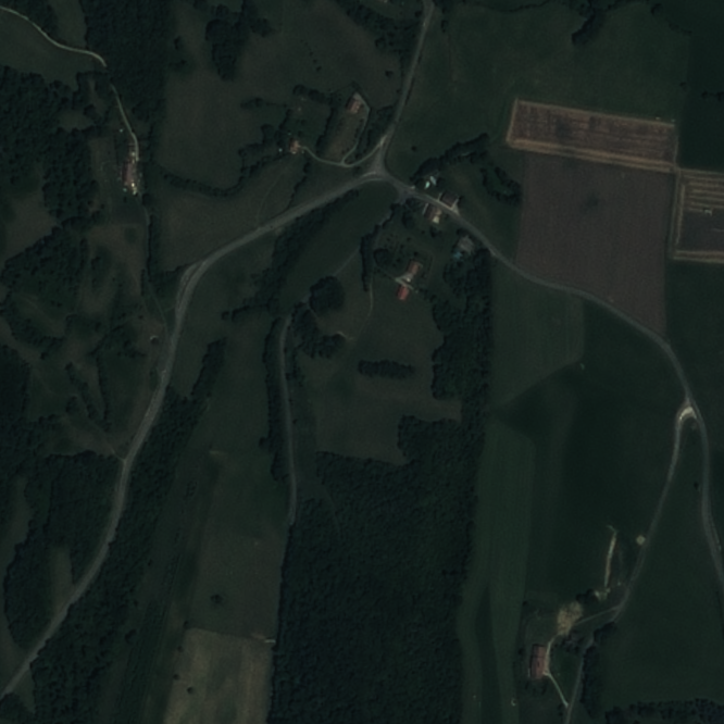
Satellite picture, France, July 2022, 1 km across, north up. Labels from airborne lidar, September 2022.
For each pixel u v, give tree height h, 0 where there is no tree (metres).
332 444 0
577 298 0
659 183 0
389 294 0
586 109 0
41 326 0
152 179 0
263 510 0
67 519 12
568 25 0
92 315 0
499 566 0
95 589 11
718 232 0
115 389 0
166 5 17
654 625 0
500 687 0
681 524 0
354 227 0
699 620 0
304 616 9
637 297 0
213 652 0
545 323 0
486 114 0
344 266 0
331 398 0
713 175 0
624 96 0
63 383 0
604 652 0
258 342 0
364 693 14
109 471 10
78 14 0
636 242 0
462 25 0
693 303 0
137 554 12
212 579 0
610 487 0
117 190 0
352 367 0
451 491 9
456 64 0
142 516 12
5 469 21
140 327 0
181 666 0
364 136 6
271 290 9
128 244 0
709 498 0
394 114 13
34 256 7
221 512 0
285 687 19
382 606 18
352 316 0
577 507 0
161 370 0
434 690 16
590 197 0
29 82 22
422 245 0
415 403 0
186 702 0
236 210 0
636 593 0
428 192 0
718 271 0
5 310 9
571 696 0
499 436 0
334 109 9
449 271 7
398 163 0
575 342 0
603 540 0
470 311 11
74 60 0
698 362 0
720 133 0
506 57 0
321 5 0
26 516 0
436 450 8
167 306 0
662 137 0
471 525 18
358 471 15
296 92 8
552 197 0
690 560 0
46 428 18
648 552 0
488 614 0
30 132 20
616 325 0
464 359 16
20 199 0
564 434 0
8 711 17
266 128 13
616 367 0
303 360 0
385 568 11
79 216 6
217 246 0
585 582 0
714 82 0
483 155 18
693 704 10
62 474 20
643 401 0
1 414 17
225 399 0
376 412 0
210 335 0
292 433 0
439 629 17
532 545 0
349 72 0
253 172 14
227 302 0
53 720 11
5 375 10
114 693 0
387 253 13
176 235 0
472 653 0
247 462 0
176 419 10
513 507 0
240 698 0
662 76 0
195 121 0
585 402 0
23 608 20
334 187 0
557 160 0
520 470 0
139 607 18
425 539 9
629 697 0
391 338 0
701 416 0
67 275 6
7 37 0
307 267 0
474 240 11
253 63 0
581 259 0
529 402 0
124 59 16
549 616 0
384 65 0
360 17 17
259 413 0
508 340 0
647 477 0
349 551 9
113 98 15
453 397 15
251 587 0
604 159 0
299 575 16
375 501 12
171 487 6
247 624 0
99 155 0
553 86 0
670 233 0
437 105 0
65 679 13
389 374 17
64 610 0
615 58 0
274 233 0
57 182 7
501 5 0
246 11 16
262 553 0
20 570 22
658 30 0
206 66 0
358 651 19
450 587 19
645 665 0
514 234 0
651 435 0
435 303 12
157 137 13
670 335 0
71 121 0
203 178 0
